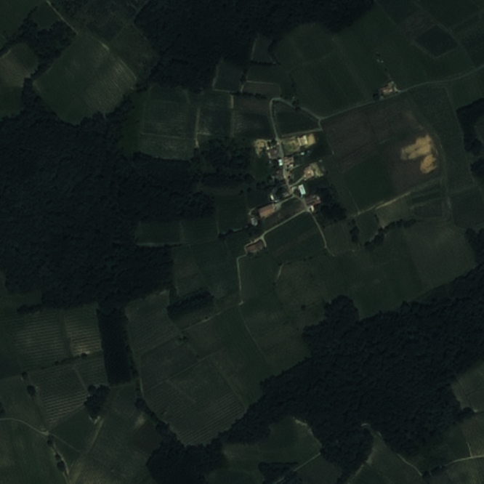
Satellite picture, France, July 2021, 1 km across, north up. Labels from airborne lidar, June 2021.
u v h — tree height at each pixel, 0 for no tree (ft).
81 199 74
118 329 94
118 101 0
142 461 0
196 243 0
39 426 0
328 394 66
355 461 58
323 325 62
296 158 32
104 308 67
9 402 0
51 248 73
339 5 66
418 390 69
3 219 65
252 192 22
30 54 0
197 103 0
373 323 62
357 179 0
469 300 74
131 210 90
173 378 0
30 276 85
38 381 0
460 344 62
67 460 0
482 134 0
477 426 0
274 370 0
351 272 0
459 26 0
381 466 0
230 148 24
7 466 0
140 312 0
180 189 39
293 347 0
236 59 56
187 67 92
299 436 0
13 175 69
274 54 24
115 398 0
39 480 0
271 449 0
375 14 0
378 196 0
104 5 20
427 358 77
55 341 0
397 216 0
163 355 0
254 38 51
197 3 87
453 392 63
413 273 0
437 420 60
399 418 60
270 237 0
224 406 0
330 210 49
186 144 0
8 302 0
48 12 0
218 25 57
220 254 0
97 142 64
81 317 0
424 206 0
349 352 60
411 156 0
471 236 41
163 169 31
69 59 0
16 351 0
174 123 0
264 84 0
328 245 0
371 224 0
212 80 55
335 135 0
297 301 0
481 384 0
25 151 82
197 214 69
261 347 0
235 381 0
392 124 0
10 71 0
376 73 0
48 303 82
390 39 0
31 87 66
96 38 0
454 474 0
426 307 57
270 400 59
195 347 0
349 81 0
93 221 71
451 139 0
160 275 78
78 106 0
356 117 0
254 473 0
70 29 34
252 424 77
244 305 0
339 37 0
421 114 0
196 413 0
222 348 0
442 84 0
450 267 0
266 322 0
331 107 0
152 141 0
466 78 0
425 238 0
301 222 0
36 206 77
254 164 0
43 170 83
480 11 0
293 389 64
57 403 0
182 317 37
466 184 0
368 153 0
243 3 91
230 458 0
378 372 75
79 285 78
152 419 29
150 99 0
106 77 0
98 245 71
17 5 0
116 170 84
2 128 80
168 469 73
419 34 0
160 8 62
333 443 60
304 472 0
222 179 55
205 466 83
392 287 0
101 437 0
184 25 90
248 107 0
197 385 0
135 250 76
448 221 0
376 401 68
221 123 0
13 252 69
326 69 0
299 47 0
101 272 81
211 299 54
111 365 69
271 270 0
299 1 70
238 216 0
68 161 72
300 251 0
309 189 0
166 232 0
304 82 0
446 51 0
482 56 0
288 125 0
